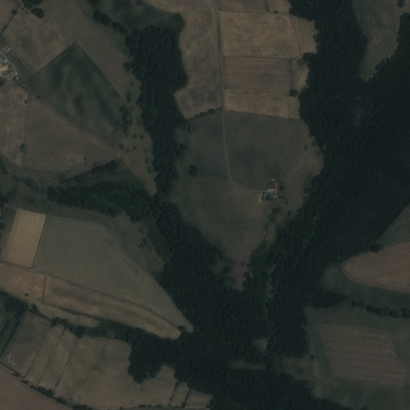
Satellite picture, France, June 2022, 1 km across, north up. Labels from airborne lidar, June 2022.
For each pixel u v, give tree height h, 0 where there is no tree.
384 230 12
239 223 0
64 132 0
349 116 14
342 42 29
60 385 0
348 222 13
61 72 0
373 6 0
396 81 12
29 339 0
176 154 14
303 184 0
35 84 0
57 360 0
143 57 20
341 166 16
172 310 0
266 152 0
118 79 0
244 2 0
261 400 23
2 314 0
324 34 8
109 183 14
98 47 0
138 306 0
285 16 0
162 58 17
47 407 0
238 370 9
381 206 10
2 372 0
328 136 21
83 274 0
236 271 0
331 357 0
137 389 0
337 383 0
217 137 0
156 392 0
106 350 0
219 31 0
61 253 0
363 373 0
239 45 0
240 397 20
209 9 0
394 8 0
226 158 0
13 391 0
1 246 0
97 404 0
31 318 0
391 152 7
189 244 22
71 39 0
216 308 28
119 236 0
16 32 0
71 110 0
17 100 0
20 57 0
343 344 0
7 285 0
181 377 20
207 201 0
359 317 0
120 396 0
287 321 22
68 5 0
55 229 0
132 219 17
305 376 0
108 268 0
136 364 20
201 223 0
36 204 0
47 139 0
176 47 14
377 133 10
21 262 0
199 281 25
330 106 26
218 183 0
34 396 0
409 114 8
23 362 0
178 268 27
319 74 23
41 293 0
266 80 0
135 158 0
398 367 0
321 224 16
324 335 0
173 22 0
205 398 0
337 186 15
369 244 12
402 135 9
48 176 0
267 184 0
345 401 0
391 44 0
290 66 0
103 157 0
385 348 0
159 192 8
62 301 0
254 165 0
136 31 17
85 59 0
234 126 0
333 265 0
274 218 0
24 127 0
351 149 15
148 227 0
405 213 0
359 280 0
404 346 0
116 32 0
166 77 23
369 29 0
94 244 0
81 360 0
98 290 0
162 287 8
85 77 0
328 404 20
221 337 18
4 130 0
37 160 0
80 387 0
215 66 0
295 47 0
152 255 0
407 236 0
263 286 7
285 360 0
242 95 0
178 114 7
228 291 20
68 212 0
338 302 14
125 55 0
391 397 0
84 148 0
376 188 12
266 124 0
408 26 21
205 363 17
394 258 0
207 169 0
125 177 0
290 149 0
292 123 0
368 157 11
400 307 0
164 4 0
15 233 0
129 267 0
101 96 0
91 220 0
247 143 0
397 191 7
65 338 0
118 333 0
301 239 21
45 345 0
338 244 10
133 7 0
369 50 0
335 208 16
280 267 17
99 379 0
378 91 19
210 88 0
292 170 0
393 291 0
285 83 0
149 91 20
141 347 25
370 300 0
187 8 0
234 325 21
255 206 0
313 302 17
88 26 0
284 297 24
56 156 0
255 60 0
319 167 0
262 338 10
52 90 0
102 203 0
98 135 0
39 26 0
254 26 0
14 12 13
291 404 24
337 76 26
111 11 0
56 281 0
